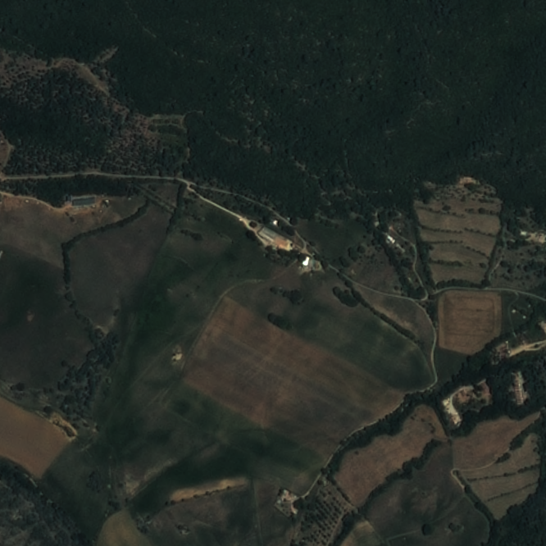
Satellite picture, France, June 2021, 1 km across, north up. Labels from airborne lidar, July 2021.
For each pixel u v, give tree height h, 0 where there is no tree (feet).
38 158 39
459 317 0
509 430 0
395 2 23
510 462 0
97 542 0
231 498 0
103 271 0
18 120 47
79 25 31
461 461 0
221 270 0
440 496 0
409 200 27
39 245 0
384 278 0
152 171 56
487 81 18
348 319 0
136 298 0
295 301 31
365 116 29
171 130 31
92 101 38
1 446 0
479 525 0
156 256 0
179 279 0
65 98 28
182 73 26
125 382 0
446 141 21
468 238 0
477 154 28
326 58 19
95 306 0
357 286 0
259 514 0
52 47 29
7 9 19
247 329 0
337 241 0
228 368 0
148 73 25
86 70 0
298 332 0
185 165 42
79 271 0
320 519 26
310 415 0
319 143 30
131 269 0
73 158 30
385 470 0
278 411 0
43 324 0
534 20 26
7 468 33
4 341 0
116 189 32
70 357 0
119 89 23
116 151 26
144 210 28
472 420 45
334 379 0
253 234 44
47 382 0
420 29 17
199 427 0
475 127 27
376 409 0
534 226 18
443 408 32
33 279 0
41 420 0
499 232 21
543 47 21
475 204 0
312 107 18
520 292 0
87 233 25
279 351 0
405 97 17
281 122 23
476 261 0
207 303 0
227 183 26
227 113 29
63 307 0
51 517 27
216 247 0
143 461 0
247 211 36
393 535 0
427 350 0
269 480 0
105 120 24
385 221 31
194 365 0
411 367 0
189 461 0
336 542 33
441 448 0
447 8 50
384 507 0
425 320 0
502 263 39
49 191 27
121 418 0
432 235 0
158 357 0
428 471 0
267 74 43
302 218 30
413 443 0
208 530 0
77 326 0
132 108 23
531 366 27
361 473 0
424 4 24
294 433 0
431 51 18
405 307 0
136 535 0
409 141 21
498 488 0
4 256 0
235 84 26
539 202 29
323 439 0
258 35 19
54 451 0
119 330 0
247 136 20
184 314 0
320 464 0
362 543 0
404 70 28
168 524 0
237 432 0
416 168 34
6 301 0
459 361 0
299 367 0
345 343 0
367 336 0
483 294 0
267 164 30
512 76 25
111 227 28
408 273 0
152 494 0
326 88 21
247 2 20
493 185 26
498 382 43
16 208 0
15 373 0
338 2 18
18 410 0
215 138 21
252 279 0
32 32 22
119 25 18
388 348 0
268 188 27
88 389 49
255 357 0
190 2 19
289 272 0
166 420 0
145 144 24
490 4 30
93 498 0
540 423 19
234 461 0
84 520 0
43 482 0
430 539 0
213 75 27
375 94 18
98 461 0
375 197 25
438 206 0
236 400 0
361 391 0
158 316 0
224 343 0
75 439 0
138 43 28
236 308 0
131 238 0
